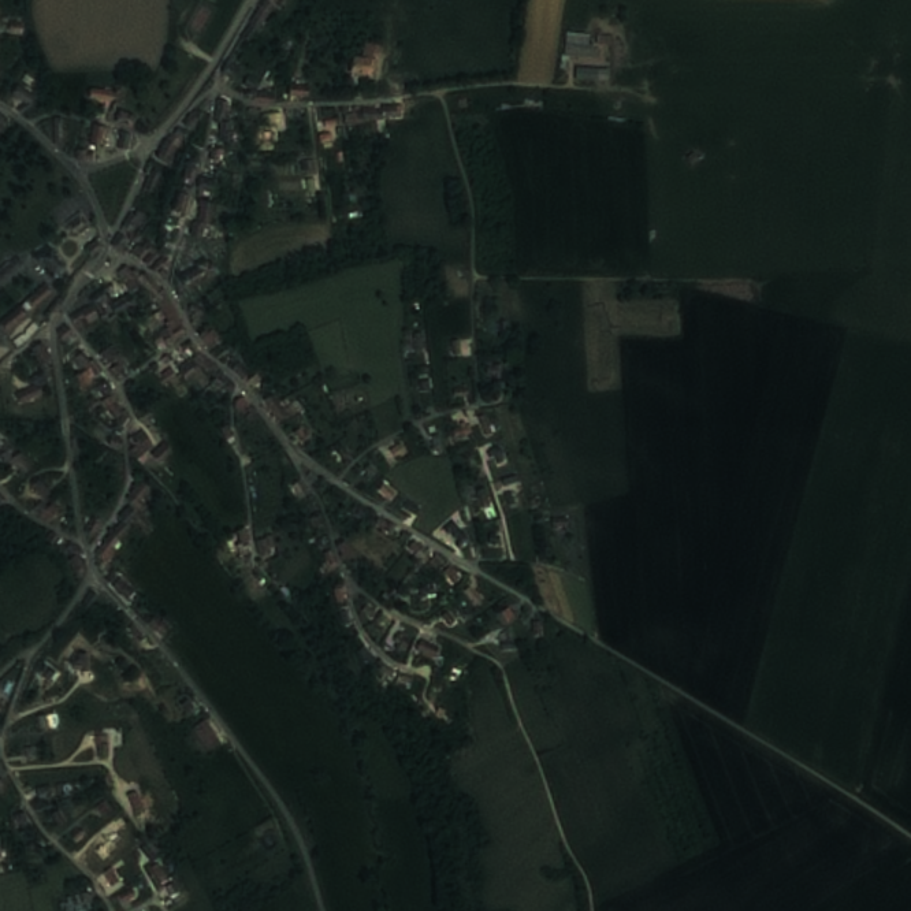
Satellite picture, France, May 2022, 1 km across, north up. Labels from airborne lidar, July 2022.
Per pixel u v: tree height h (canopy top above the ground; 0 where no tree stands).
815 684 0
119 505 0
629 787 0
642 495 0
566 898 0
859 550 0
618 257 0
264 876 0
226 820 0
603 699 0
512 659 0
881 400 0
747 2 0
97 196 6
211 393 10
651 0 0
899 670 0
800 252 0
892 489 0
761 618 0
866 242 0
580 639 8
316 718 0
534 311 0
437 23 0
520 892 0
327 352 0
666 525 0
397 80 0
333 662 9
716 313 0
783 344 0
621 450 0
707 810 0
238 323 6
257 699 0
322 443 8
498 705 0
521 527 0
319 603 9
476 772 0
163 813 0
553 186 0
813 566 0
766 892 0
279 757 0
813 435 0
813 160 0
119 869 0
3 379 0
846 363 0
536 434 0
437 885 15
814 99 0
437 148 0
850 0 0
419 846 0
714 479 0
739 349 0
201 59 0
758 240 0
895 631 0
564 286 0
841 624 0
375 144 8
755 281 0
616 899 0
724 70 0
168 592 0
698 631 0
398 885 0
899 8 0
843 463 0
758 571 0
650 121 0
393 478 0
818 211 0
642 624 0
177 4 0
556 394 0
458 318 0
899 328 0
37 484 0
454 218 7
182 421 0
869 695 0
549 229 0
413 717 14
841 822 0
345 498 6
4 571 11
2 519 17
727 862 0
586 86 0
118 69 10
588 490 0
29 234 0
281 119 0
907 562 0
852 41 0
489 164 10
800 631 0
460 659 0
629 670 0
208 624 0
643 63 0
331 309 0
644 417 0
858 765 0
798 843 0
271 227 0
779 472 0
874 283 0
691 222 0
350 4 0
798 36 0
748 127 0
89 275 0
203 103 0
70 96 0
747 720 0
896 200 0
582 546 0
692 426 0
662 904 0
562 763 0
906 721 0
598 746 0
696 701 0
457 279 0
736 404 0
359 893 0
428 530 0
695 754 0
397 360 0
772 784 0
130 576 0
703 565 0
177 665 0
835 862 0
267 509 0
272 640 12
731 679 0
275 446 6
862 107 0
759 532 0
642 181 0
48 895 0
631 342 0
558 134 0
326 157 0
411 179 0
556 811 0
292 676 0
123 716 0
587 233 0
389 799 0
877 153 0
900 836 0
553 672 9
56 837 0
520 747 0
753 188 0
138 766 0
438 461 0
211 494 0
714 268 0
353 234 10
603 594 0
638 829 0
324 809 0
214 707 0
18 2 14
